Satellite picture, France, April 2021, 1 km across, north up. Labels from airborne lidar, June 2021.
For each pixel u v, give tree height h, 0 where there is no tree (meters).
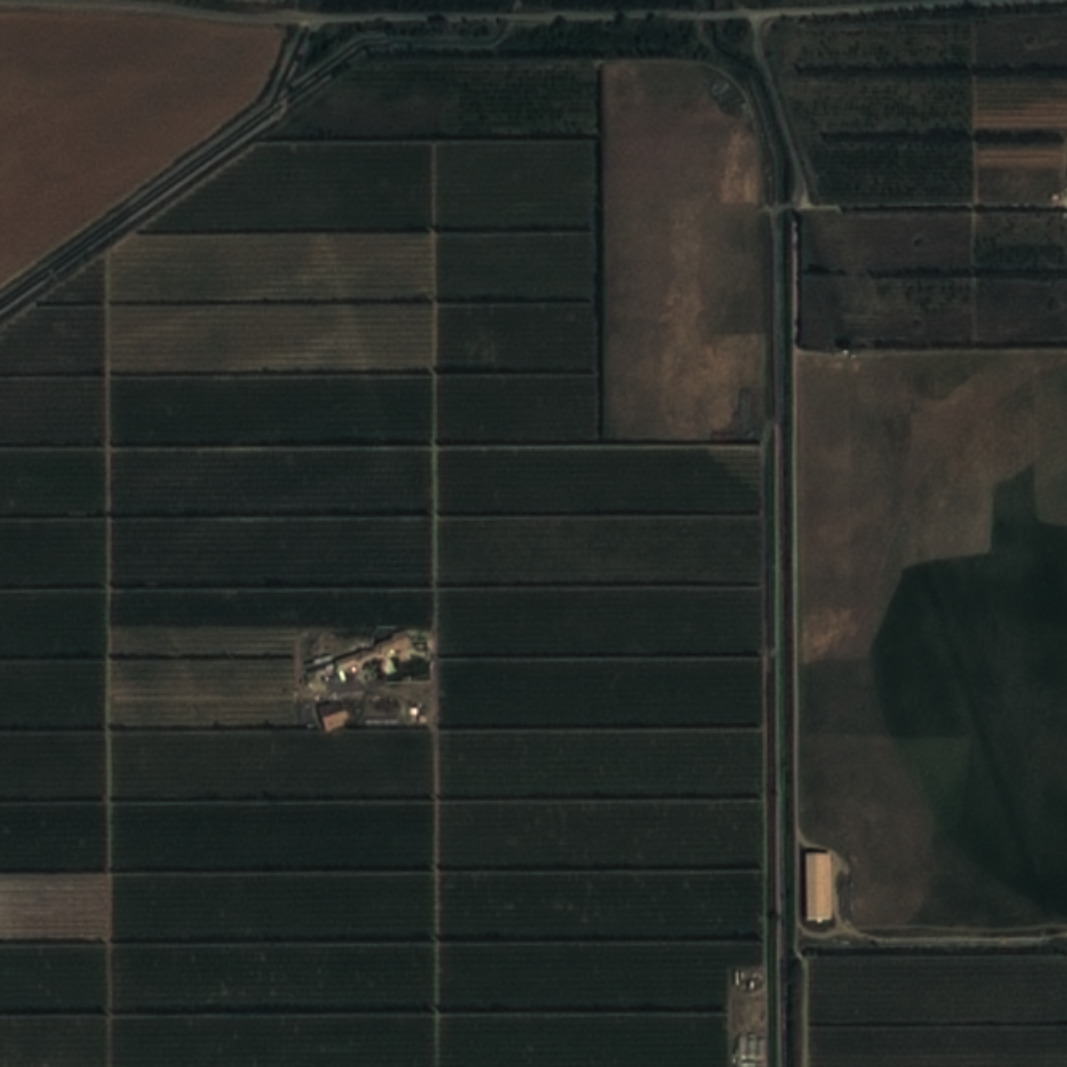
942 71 16
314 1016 17
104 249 6
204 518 15
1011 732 0
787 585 0
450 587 11
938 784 0
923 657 0
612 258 0
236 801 12
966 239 0
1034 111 0
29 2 0
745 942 16
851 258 0
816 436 0
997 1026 9
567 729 10
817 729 0
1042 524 0
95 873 11
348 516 15
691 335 0
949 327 0
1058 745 0
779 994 0
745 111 0
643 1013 16
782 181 0
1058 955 6
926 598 0
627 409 0
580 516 11
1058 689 0
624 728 12
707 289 0
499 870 12
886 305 0
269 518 13
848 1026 6
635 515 11
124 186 0
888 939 0
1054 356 0
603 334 10
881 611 0
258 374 11
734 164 0
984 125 0
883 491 0
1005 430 0
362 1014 17
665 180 0
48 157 0
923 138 13
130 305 8
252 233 11
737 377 0
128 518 12
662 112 0
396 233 11
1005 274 16
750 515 9
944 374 0
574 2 8
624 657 10
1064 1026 9
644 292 0
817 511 0
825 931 0
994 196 0
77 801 10
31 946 13
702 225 0
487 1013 13
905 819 0
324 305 11
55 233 0
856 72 15
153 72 0
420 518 14
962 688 0
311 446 13
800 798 0
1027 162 0
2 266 0
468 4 7
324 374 13
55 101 0
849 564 0
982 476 0
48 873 13
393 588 14
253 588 13
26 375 11
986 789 0
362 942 14
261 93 5
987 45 0
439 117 0
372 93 0
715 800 12
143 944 13
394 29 17
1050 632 0
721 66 0
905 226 0
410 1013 16
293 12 0
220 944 17
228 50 0
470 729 9
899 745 0
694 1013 14
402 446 16
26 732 14
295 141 11
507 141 15
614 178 0
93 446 11
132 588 13
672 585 10
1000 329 0
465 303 13
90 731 13
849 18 13
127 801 10
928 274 14
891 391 0
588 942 14
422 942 18
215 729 10
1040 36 0
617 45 0
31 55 0
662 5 6
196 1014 17
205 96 0
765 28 0
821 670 0
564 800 12
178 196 6
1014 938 0
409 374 11
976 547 0
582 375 11
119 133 0
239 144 5
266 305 10
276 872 16
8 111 0
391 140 8
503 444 11
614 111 0
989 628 0
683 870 13
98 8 0
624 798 11
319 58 10
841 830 0
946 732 0
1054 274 15
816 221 0
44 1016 15
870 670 0
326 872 12
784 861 0
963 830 0
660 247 0
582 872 13
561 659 11
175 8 0
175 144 0
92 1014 15
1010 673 0
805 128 0
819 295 0
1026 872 0
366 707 0
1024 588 0
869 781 0
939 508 0
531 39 7
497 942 18
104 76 0
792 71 0
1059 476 0
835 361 0
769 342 0
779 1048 0
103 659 12
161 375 10
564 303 14
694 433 0
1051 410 0
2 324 6
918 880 0
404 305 14
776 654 0
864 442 0
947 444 0
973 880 0
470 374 16
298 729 9
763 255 0
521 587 11
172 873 11
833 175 6
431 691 0
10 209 0
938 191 6
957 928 0
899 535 0
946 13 16
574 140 15
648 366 0
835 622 0
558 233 15
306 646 0
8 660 12
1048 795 0
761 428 0
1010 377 0
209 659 11
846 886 0
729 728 11
